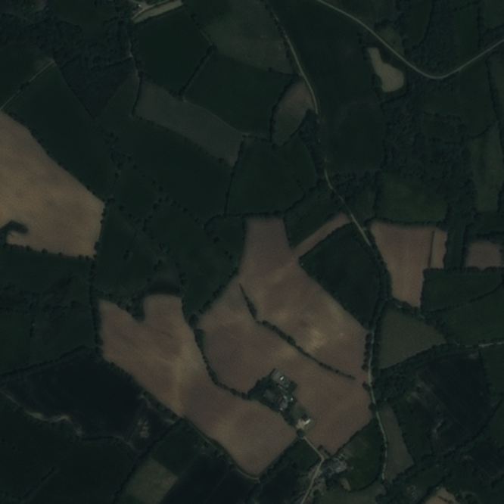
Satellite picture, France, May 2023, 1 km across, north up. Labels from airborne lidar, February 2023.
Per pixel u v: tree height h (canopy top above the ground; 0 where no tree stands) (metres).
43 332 0
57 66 13
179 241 0
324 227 0
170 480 0
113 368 9
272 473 12
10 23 18
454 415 0
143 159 0
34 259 0
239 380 0
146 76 13
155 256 0
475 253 0
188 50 0
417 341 0
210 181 0
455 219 0
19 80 0
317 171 18
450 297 0
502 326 0
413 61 11
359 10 0
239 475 0
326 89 0
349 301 0
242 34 0
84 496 0
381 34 0
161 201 9
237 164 10
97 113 16
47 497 0
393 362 0
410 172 9
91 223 0
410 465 0
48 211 0
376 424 9
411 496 0
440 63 13
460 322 0
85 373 0
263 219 11
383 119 0
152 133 0
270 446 0
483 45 14
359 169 0
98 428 0
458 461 10
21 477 0
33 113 0
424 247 0
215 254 0
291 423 15
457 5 0
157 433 0
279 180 0
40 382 0
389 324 0
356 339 0
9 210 0
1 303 0
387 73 0
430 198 0
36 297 12
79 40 10
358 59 0
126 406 0
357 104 0
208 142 0
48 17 15
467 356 0
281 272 0
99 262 0
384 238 0
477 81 0
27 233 0
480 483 7
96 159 0
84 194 0
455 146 9
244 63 0
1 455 0
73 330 0
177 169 0
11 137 0
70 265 0
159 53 0
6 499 13
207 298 0
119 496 13
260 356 0
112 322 0
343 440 0
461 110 0
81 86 19
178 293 8
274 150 12
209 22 0
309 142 20
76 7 0
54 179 0
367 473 0
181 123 0
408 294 0
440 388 0
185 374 0
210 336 0
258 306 0
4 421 0
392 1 0
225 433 0
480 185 0
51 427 10
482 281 0
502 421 0
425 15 0
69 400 0
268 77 0
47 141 0
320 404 0
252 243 0
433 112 0
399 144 7
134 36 15
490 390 13
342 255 0
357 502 0
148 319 0
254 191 0
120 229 0
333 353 0
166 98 0
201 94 0
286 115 0
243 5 0
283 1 0
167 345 0
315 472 0
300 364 0
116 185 0
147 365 0
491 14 0
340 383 0
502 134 11
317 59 0
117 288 0
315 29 0
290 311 0
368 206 0
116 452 0
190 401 0
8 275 0
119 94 0
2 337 0
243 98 0
